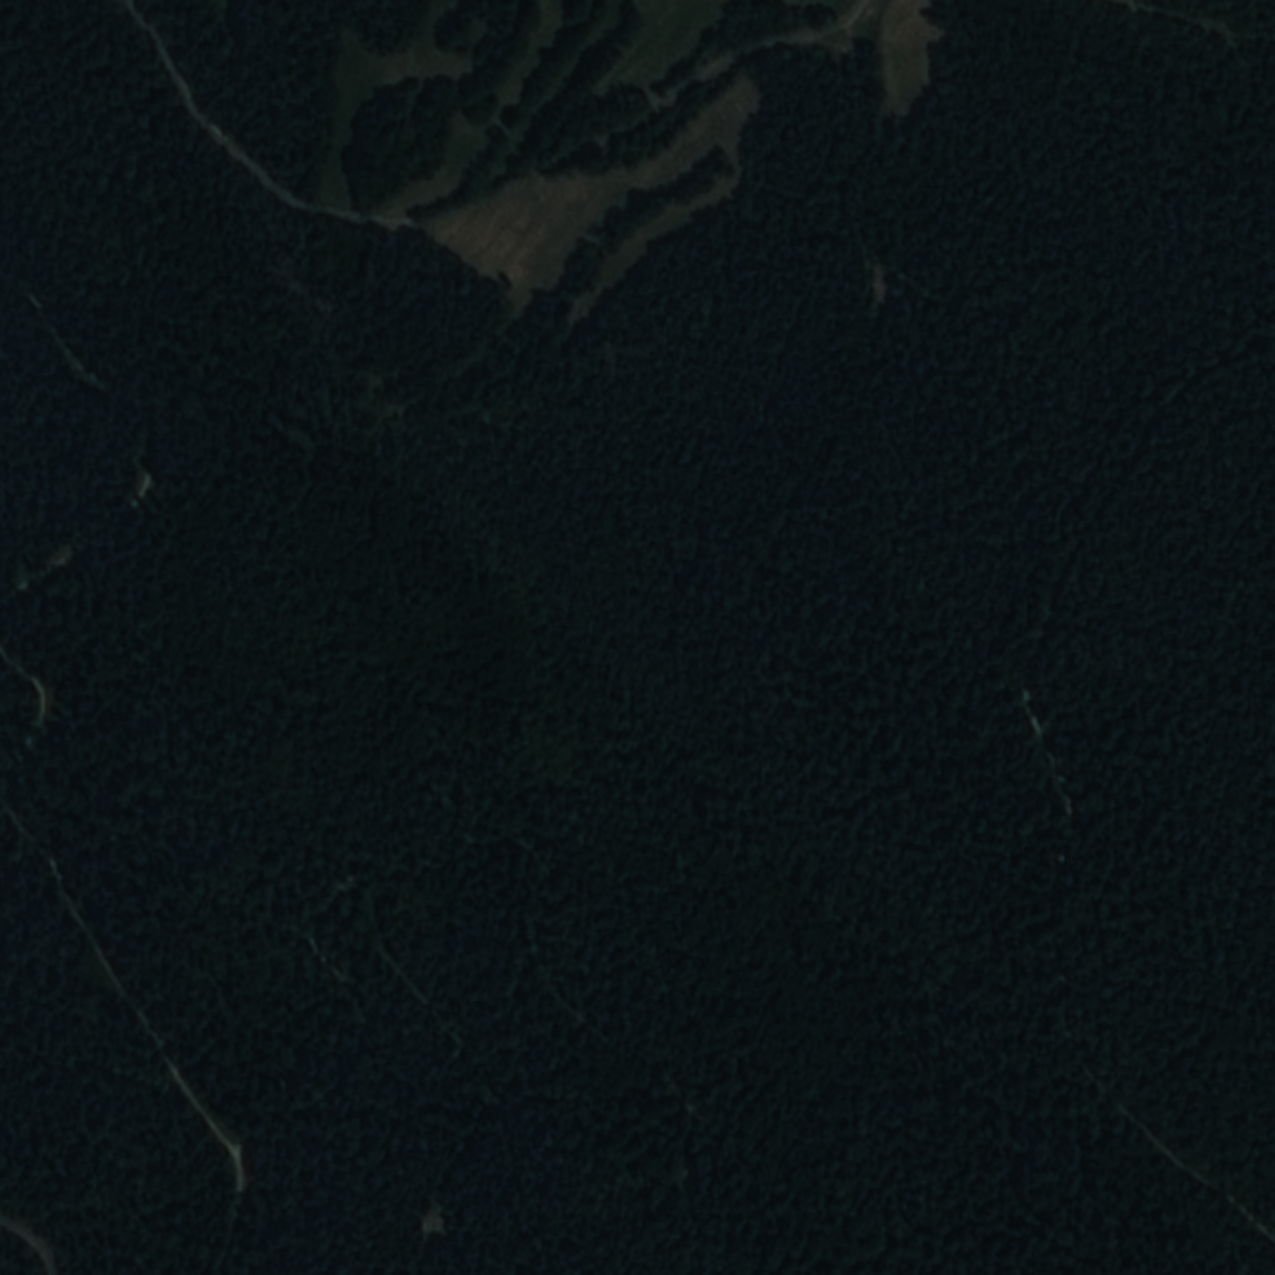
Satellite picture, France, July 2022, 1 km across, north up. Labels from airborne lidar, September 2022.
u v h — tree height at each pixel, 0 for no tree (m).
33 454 9
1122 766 20
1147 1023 15
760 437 18
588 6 15
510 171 10
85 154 18
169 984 15
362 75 0
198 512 12
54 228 17
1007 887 11
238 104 20
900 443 23
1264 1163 17
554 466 14
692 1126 20
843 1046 20
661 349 14
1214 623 19
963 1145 16
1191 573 13
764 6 13
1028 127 19
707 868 11
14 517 22
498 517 14
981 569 18
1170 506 17
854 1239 24
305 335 27
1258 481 13
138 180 27
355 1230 21
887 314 16
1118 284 22
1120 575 16
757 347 17
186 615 9
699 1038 24
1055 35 17
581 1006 11
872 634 15
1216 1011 20
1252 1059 19
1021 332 19
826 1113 21
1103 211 21
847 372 23
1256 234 18
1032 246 21
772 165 15
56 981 17
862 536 19
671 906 14
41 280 31
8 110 14
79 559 13
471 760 11
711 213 10
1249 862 19
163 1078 17
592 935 11
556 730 12
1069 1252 19
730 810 21
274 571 15
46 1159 14
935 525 24
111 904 15
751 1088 23
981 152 14
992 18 14
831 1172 24
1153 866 19
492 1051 20
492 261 0
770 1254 28
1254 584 15
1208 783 19
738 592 18
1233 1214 18
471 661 8
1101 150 14
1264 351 21
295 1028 20
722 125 0
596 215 0
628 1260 20
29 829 21
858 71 15
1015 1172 24
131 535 21
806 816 16
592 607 10
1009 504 13
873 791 22
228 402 6
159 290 14
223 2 0
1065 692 19
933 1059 12
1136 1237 17
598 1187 16
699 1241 17
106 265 20
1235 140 18
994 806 24
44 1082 18
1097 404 22
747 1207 22
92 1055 18
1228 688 18
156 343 9
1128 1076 15
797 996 16
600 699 14
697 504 10
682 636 16
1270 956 13
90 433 29
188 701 14
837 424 23
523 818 13
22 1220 9
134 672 9
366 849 12
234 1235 7
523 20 18
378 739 12
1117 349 18
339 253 9
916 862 19
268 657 14
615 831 15
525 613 12
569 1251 24
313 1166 22
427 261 20
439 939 12
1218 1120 18
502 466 12
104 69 20
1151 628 16
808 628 11
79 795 12
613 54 18
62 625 16
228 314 11
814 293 12
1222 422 21
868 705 7
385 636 13
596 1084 24
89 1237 17
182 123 18
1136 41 11
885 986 20
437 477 22
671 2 0
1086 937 21
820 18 17
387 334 17
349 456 21
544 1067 19
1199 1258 10
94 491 25
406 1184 22
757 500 14
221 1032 12
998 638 20
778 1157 16
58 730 17
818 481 24
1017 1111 14
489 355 7
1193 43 13
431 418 15
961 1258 13
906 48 0
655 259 15
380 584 10
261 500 15
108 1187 10
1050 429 17
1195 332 26
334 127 25
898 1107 17
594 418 11
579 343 15
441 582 9
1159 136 24
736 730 20
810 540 24
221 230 16
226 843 30
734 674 16
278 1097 23
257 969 8
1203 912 22
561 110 16
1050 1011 17
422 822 14
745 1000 12
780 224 17
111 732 14
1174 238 8
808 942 11
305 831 13
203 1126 19
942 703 27
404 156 18
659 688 23
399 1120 26
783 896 14
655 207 17
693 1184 13
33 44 19
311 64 28
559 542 15
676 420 16
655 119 14
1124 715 11
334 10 19
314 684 13
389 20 20
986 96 10
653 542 16
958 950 8
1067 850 14
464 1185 19
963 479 15
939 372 18
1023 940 24
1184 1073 17
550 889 22
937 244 17
